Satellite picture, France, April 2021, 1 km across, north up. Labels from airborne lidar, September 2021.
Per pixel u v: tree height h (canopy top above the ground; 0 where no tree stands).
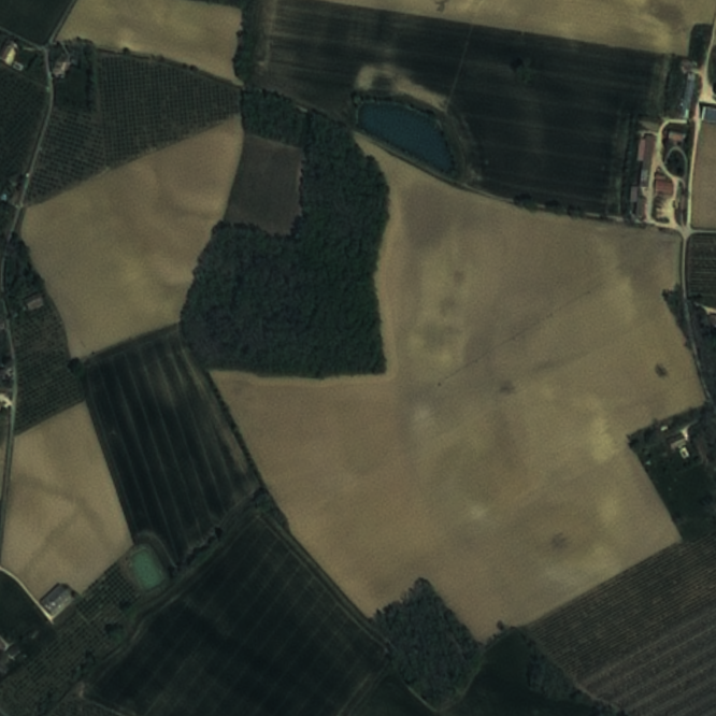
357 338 24
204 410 0
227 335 21
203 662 0
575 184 0
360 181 20
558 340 0
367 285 27
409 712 0
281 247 19
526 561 0
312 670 0
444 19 0
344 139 18
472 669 20
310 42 0
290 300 20
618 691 7
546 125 0
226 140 0
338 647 0
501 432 0
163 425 0
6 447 0
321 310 26
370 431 0
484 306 0
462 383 0
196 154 0
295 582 0
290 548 0
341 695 0
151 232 0
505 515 0
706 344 18
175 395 0
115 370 0
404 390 0
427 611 19
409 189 0
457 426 0
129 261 0
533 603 0
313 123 19
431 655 19
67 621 6
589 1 0
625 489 0
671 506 0
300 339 25
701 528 0
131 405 0
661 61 0
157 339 0
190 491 0
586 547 0
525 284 0
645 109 0
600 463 0
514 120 0
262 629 0
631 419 0
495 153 0
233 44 0
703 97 0
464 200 0
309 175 15
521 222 0
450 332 0
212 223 0
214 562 0
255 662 0
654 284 0
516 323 0
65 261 0
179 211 0
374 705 0
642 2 0
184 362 0
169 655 0
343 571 0
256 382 0
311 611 0
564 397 0
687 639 6
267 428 0
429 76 0
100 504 0
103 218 0
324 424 0
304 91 0
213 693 0
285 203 0
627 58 0
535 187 0
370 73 0
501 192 0
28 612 0
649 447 16
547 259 0
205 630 0
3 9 0
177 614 0
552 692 23
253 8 12
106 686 0
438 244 0
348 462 0
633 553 0
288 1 0
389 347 0
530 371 0
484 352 0
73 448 0
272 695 0
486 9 0
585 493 0
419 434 0
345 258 25
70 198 0
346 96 0
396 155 0
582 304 0
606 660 6
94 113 13
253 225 0
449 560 0
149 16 0
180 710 0
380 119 0
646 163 0
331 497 0
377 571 0
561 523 0
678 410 0
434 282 0
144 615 0
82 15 0
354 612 0
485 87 0
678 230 0
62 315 0
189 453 0
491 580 0
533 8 0
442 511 0
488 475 0
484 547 0
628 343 0
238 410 0
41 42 0
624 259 0
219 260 20
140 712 0
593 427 0
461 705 0
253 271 16
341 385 0
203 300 18
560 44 0
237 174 0
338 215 20
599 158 0
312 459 0
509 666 0
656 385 0
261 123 16
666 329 0
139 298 0
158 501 0
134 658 0
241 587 0
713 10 0
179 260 0
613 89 0
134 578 0
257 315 16
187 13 0
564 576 0
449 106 0
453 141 0
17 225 0
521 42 0
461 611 0
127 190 0
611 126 0
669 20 0
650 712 7
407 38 0
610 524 0
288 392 0
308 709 0
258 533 0
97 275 0
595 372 0
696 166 0
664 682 6
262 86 0
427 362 0
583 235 0
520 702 0
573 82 0
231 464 0
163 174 0
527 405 0
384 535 0
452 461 0
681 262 0
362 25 0
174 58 0
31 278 15
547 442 0
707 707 7
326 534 0
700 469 0
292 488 0
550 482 0
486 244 0
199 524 0
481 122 0
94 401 0
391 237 0
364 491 0
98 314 0
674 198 0
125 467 0
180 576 19
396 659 23
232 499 0
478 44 0
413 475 0
